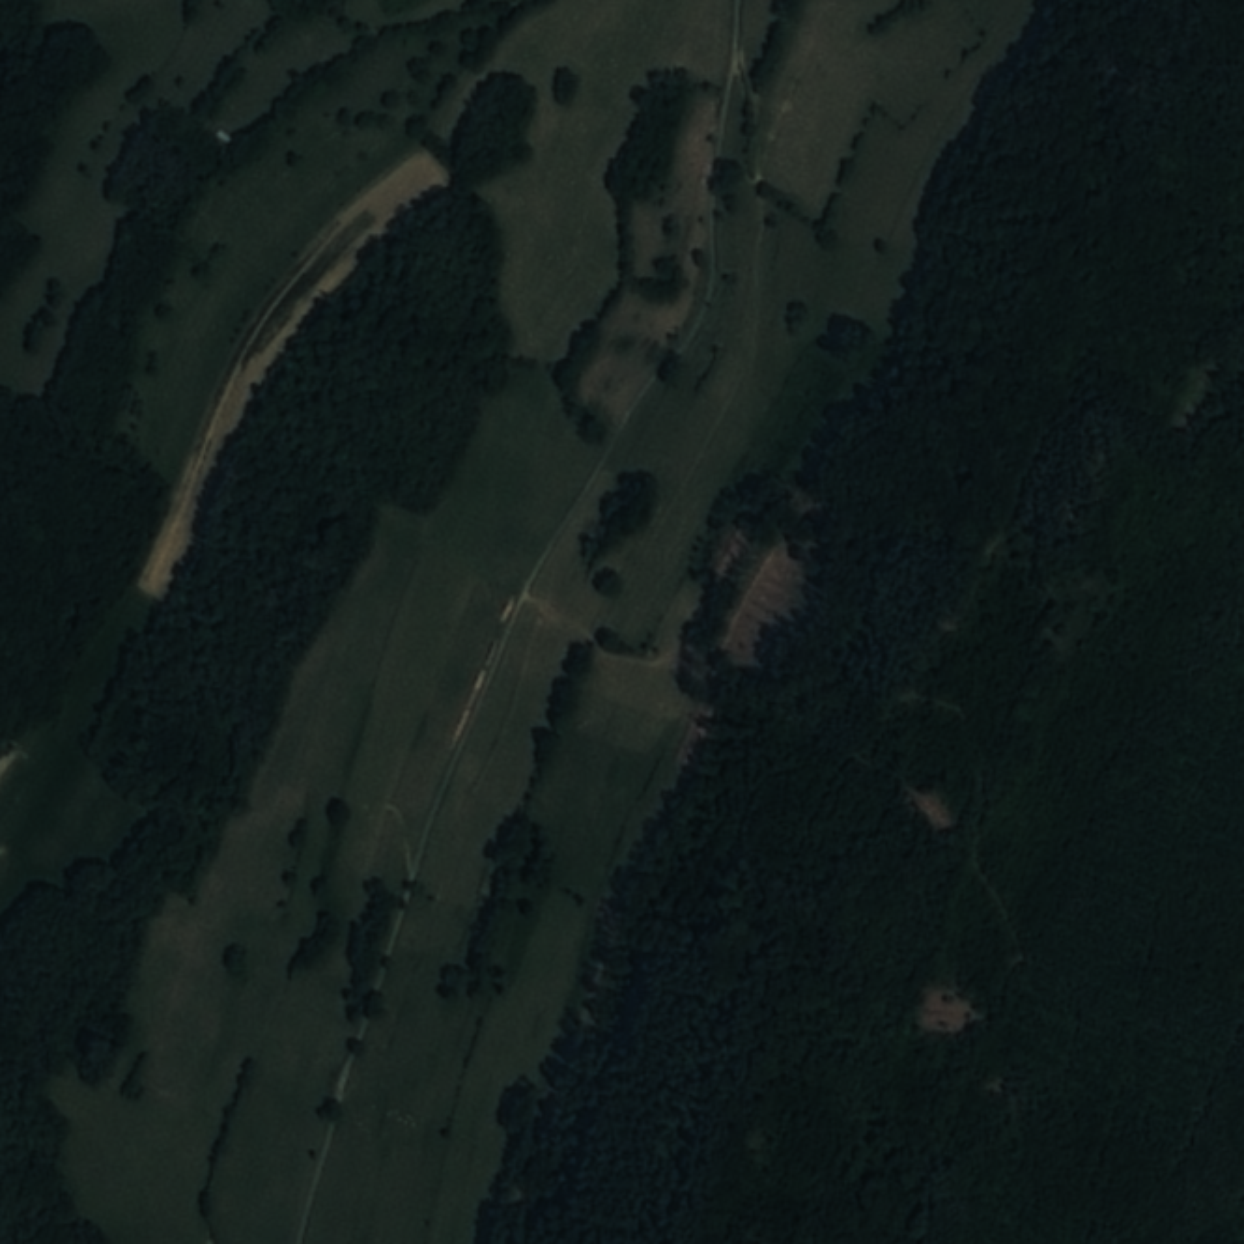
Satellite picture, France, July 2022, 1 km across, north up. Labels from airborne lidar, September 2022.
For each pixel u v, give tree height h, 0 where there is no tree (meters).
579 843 0
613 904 0
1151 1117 13
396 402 12
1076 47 34
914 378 34
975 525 28
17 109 29
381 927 17
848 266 0
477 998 15
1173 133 17
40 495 22
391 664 0
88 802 0
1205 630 12
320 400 16
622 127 0
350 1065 0
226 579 21
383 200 0
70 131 0
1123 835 13
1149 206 26
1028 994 14
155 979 0
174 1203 0
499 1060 0
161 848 18
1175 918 14
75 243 0
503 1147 0
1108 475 8
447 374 18
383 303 21
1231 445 19
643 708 0
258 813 0
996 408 22
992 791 15
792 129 0
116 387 13
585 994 0
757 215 0
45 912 22
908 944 19
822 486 31
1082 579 19
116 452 21
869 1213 26
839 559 25
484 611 0
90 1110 0
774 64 6
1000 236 30
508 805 0
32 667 29
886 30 7
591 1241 37
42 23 10
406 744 0
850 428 35
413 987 0
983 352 27
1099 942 16
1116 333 21
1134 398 28
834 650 21
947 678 11
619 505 14
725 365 0
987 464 27
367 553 15
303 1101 0
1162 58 29
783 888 26
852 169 10
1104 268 22
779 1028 23
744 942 33
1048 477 21
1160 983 18
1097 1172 14
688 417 0
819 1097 8
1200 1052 14
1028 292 28
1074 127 28
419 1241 0
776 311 0
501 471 0
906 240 0
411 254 17
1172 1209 14
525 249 0
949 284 25
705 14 0
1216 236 22
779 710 25
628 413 0
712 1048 33
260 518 15
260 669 19
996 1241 14
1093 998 13
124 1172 0
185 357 0
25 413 21
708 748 20
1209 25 21
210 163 8
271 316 0
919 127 0
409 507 13
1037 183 20
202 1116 0
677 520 0
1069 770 10
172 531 0
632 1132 31
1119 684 12
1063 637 24
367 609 0
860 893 24
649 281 8
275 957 0
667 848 26
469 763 0
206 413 0
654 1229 36
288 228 0
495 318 8
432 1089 0
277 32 14
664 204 6
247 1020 0
